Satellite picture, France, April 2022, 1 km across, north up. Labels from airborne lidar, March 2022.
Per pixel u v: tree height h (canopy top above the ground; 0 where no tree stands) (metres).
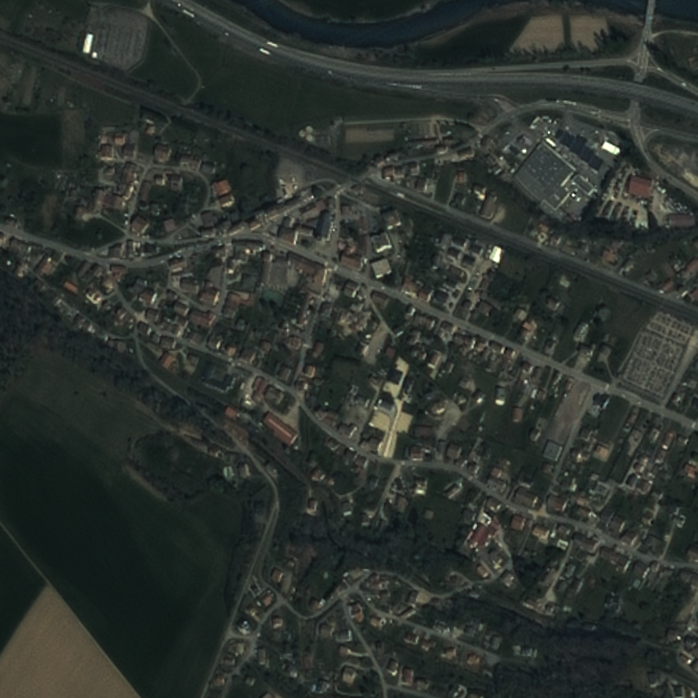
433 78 0
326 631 0
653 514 0
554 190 0
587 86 0
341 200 0
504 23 0
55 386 0
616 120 0
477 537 0
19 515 0
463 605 18
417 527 13
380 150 0
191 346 0
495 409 0
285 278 0
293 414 0
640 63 0
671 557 0
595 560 0
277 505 0
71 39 0
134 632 0
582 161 0
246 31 0
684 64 0
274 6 0
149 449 0
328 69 0
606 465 0
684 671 0
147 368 0
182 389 0
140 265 0
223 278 0
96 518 0
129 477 0
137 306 0
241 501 0
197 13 0
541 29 0
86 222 0
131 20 0
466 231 0
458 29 0
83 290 0
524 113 0
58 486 0
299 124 0
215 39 0
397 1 0
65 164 0
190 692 0
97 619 0
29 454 0
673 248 0
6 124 0
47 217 0
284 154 0
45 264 0
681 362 0
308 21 0
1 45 0
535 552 6
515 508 0
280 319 15
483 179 0
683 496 0
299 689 9
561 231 16
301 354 0
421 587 0
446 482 0
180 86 0
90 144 0
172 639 0
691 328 0
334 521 15
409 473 0
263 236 0
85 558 0
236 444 15
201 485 0
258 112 0
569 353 0
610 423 0
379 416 0
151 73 0
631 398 0
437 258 0
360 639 0
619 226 18
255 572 0
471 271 0
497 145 0
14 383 10
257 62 0
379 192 0
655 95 0
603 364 0
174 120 9
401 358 0
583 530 0
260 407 0
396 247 0
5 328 25
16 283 11
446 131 0
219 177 8
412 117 0
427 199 0
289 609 0
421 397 11
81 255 0
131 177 0
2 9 0
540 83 0
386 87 0
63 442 0
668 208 0
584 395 0
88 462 0
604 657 29
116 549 0
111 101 0
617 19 0
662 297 0
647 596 0
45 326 12
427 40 0
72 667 0
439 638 0
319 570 10
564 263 0
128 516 0
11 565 0
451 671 0
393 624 0
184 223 0
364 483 0
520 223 0
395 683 0
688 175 0
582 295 0
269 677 10
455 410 0
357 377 0
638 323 0
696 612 0
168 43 0
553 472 6
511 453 0
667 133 0
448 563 14
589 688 23
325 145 0
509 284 8
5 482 0
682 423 0
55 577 0
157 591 0
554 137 0
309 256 0
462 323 0
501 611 15
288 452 15
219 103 0
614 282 0
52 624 0
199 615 0
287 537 9
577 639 26
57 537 0
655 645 0
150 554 0
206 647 0
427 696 0
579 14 0
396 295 0
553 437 0
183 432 0
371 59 7
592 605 0
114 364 9
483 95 0
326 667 0
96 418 0
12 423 0
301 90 0
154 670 0
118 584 0
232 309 0
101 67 6
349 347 0
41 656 0
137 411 0
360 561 20
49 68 0
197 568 0
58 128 0
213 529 0
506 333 0
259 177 0
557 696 21
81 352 19
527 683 19
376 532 10
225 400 0
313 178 0
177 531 0
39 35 0
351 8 0
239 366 0
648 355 0
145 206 7
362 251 0
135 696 0
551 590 0
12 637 0
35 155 0
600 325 13
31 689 0
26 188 0
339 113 0
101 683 0
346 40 0
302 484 6
